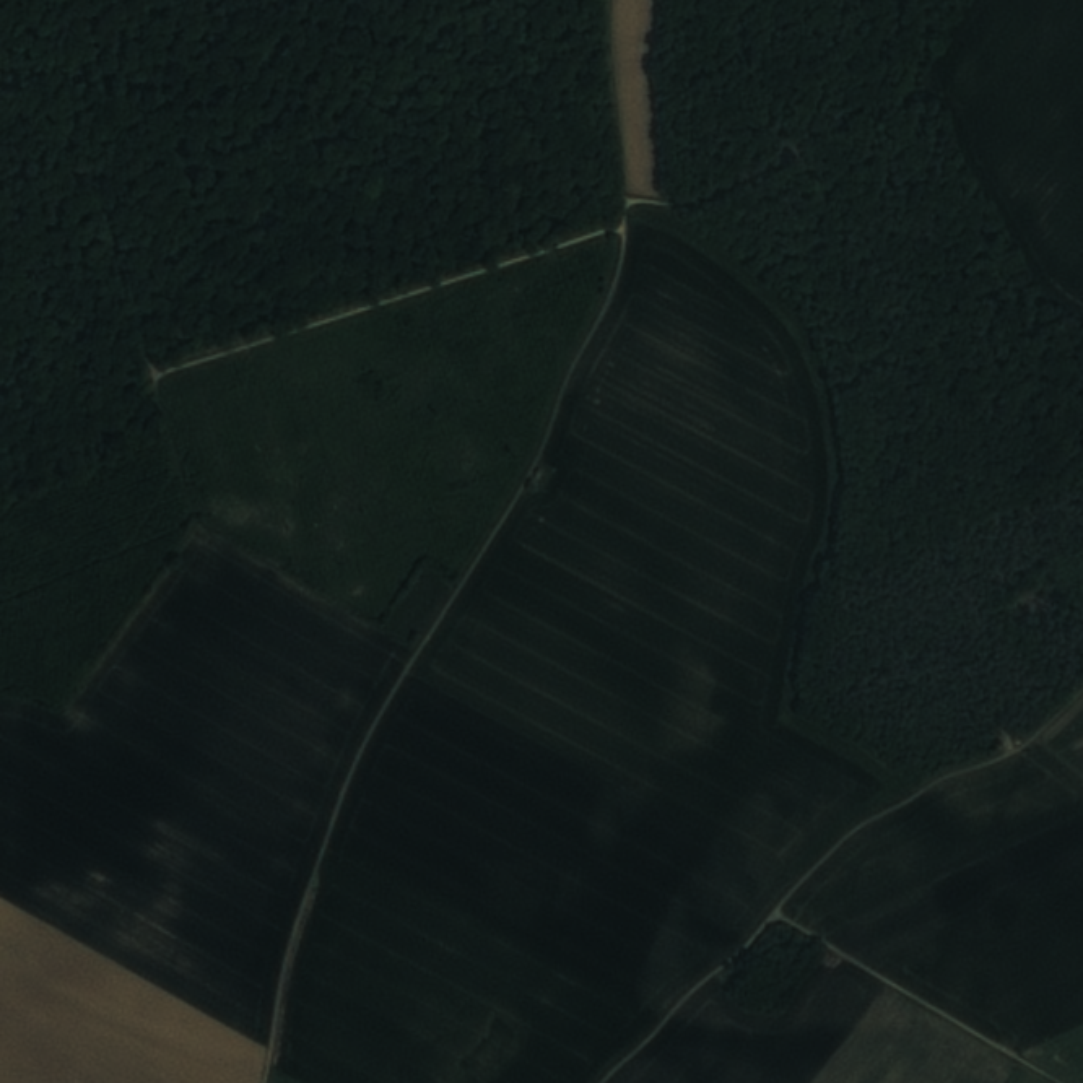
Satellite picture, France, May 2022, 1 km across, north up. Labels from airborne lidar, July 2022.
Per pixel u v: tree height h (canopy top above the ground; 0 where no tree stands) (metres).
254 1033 0
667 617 0
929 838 0
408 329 7
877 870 0
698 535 0
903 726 17
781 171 21
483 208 20
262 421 0
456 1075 0
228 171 28
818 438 0
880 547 19
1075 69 0
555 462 0
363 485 0
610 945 0
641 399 0
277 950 0
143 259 23
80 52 28
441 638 0
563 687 0
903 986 0
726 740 0
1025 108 0
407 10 29
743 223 18
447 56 24
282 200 26
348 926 0
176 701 0
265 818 0
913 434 21
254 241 28
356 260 30
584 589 0
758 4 22
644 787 0
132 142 30
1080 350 28
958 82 0
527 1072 0
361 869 0
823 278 23
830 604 18
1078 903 0
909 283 21
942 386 23
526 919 0
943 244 24
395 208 24
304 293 28
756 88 21
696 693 0
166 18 29
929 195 24
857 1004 0
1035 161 0
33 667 8
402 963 0
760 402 0
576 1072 0
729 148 23
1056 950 0
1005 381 22
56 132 23
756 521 0
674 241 0
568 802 0
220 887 0
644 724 0
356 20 31
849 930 0
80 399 29
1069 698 18
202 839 0
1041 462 26
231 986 0
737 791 0
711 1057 0
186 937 0
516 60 26
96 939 0
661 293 0
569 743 0
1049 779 0
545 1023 0
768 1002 16
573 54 27
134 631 0
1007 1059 0
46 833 0
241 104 26
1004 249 23
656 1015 0
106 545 6
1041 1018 0
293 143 24
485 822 0
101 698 0
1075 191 0
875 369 23
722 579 0
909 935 0
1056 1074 0
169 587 0
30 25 23
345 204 29
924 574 20
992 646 21
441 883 0
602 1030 0
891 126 26
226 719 0
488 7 22
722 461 0
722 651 0
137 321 24
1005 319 25
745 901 0
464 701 0
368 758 0
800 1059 0
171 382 0
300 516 0
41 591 7
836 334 21
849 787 0
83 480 25
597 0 21
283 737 0
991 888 0
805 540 0
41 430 32
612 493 0
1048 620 22
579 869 0
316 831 0
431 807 0
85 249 25
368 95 16
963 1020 0
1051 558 22
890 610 20
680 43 20
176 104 29
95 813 0
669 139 17
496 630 0
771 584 0
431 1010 0
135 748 0
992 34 0
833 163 22
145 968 0
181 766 0
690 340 0
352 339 0
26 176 18
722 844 0
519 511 0
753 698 0
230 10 28
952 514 21
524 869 0
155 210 29
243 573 0
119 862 0
